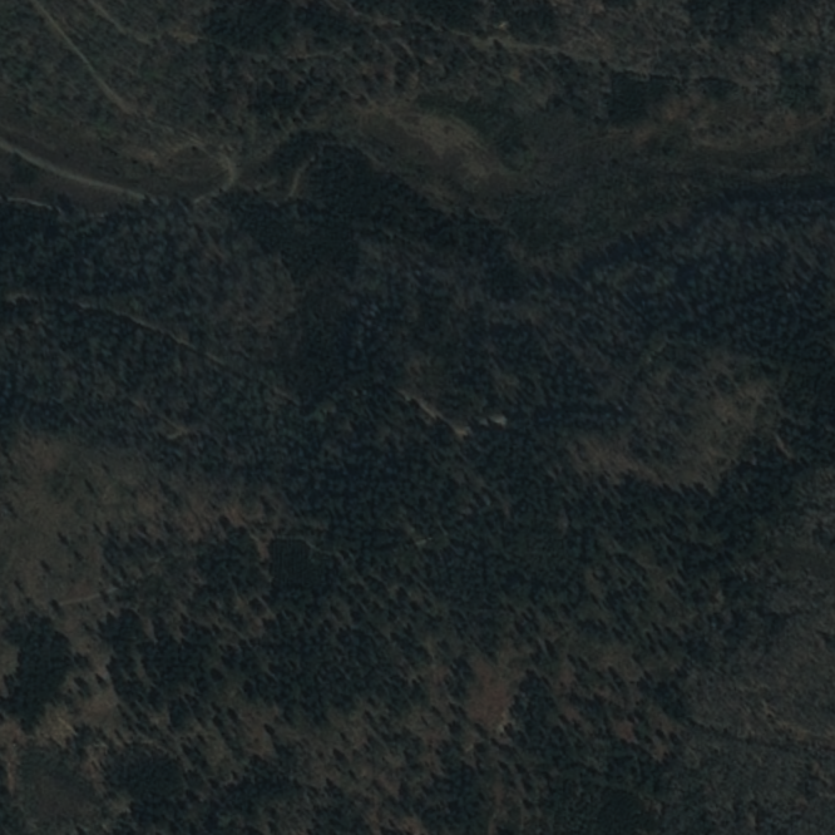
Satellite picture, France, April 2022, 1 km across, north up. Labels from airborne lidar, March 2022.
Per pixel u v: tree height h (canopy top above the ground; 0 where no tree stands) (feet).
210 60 70
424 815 80
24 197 0
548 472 69
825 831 68
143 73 81
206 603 89
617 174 28
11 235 38
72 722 0
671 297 70
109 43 76
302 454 58
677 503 82
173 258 63
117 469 0
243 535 49
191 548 66
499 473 94
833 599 70
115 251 80
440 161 0
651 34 76
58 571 0
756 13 102
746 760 71
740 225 121
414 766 88
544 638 92
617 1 56
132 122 33
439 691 59
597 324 82
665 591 0
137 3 85
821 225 86
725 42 99
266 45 47
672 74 52
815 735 66
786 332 100
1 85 87
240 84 66
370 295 55
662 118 58
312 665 97
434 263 23
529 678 0
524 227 28
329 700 93
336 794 79
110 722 0
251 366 48
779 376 37
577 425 85
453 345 19
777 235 82
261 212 38
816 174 19
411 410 24
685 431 97
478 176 0
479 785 99
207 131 83
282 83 38
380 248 100
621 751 84
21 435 68
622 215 57
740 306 73
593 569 91
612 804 32
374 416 29
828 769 70
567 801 38
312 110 41
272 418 60
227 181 0
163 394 70
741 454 42
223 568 80
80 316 61
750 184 18
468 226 32
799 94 47
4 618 27
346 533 81
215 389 75
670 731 0
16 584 0
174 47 84
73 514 0
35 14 88
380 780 38
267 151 74
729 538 98
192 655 90
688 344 42
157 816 74
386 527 83
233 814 95
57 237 32
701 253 92
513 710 0
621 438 56
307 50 28
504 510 39
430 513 102
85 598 0
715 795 71
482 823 121
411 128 0
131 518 0
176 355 73
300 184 0
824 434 84
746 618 37
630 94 67
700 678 77
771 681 80
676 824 65
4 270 73
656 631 0
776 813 54
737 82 60
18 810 20
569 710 0
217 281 32
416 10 45
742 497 79
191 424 23
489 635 94
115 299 102
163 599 68
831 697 83
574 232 19
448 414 68
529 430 74
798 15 88
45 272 63
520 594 83
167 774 70
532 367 94
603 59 56
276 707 88
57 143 0
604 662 0
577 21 62
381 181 30
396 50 110
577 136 32
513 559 78
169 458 58
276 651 46
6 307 39
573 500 101
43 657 73
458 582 93
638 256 103
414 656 91
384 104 84
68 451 0
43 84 101
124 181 0
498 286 83
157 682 69
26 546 0
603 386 60
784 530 81
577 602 96
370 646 92
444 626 51
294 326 28
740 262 75
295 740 0
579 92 80
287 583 31
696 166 17
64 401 53
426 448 26
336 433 25
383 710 55
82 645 0
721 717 77
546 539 20
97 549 0
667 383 0
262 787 53
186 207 0
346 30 73
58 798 0
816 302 78
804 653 81
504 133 20
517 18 36
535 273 25
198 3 94
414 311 103
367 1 78
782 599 75
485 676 0
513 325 96
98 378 87
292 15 54
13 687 51
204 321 39
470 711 0
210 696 100
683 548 93
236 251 79
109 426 20
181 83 76
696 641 69
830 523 95
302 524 84
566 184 30
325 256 29
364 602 84
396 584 80
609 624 0
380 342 67
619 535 66
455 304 37
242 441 33
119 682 67
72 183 0
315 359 44
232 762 0
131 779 57
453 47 90
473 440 44
